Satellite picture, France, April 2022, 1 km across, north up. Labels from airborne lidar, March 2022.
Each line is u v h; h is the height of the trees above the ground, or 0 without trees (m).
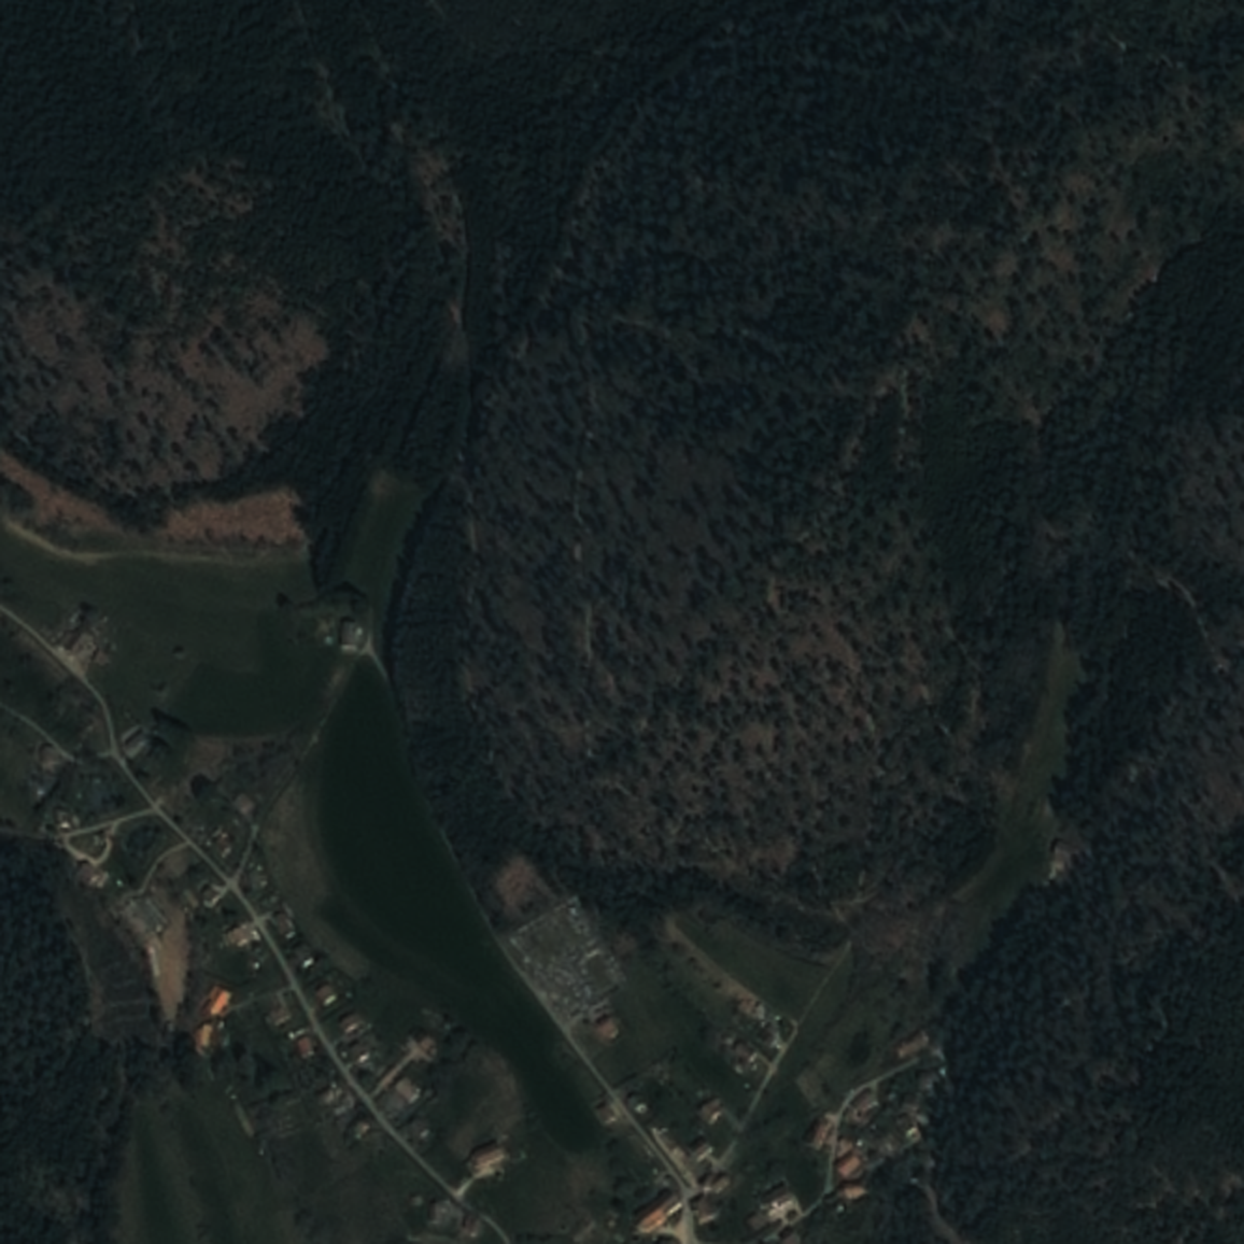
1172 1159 21
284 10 23
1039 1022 24
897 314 10
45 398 26
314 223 15
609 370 7
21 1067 29
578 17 21
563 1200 0
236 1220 0
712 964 0
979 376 14
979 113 17
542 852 19
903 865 18
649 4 15
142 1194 0
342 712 0
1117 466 30
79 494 18
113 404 0
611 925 22
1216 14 12
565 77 22
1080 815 29
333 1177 0
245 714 0
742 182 26
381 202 21
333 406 19
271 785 14
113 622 0
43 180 19
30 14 18
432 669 22
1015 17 24
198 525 0
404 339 31
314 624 0
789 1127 14
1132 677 7
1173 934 25
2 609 0
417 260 20
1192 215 29
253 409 0
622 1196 10
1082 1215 13
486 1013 0
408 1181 0
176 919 0
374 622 0
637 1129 0
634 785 27
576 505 23
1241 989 16
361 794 0
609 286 24
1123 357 31
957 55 8
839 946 5
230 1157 0
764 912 13
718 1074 0
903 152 7
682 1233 0
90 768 14
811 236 13
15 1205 20
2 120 19
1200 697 25
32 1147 18
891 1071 0
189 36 14
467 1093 0
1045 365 7
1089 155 11
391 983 0
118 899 0
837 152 15
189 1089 19
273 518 0
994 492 24
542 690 33
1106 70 12
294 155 17
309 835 0
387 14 18
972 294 25
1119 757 9
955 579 11
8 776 0
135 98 20
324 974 6
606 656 0
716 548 0
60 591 0
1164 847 20
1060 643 19
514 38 15
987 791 27
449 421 21
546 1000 0
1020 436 26
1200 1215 14
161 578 0
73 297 31
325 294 11
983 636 18
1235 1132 18
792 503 23
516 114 19
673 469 25
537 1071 0
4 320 27
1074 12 16
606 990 0
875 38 25
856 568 8
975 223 14
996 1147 22
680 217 25
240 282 7
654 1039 0
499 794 19
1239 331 8
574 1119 0
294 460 21
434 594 23
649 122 28
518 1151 0
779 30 9
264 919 0
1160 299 17
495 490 34
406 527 0
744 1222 0
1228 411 7
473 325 15
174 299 7
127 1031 0
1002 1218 14
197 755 0
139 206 13
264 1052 0
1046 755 0
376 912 0
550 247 18
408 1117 0
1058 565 31
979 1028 26
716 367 8
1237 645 23
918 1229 14
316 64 20
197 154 14
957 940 25
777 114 11
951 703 9
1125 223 0
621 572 0
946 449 6
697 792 0
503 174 17
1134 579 31
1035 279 33
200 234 10
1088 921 23
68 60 16
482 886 21
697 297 10
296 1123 0
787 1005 0
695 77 11
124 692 0
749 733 29
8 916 31
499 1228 0
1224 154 31
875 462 12
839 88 19
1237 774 30
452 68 15
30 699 0
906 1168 20
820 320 13
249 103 17
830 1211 6
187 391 32
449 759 20
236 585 0
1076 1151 11
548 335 16
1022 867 0
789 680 27
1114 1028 28
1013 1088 26
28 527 8
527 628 0
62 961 19
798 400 26
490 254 14
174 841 0
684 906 16
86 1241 18
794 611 8
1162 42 9
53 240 8
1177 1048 11
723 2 8
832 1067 0
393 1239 0
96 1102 18
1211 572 14
